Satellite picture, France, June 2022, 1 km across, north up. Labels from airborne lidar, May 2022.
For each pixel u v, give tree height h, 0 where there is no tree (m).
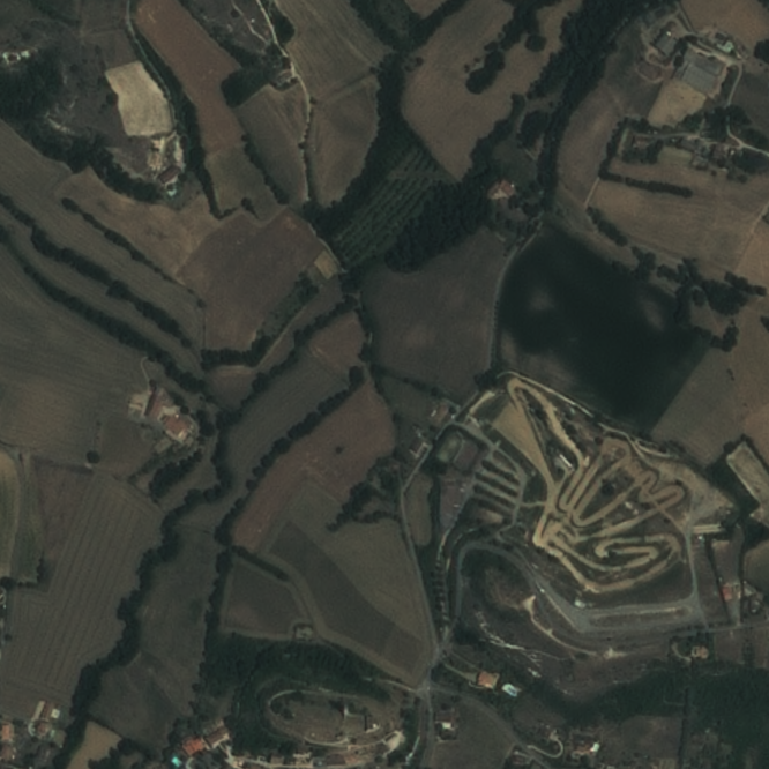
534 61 0
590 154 0
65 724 0
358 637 0
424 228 24
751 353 0
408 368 0
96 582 0
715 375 0
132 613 18
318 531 0
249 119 0
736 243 0
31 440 0
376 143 13
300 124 0
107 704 0
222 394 0
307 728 0
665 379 0
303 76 0
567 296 0
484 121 0
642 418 0
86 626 0
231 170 0
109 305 0
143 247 0
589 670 0
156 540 0
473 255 0
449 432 8
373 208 8
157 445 0
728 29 0
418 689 0
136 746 14
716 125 7
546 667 0
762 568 0
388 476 10
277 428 0
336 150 0
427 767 8
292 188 0
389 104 18
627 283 0
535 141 10
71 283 0
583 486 0
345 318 0
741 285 19
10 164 0
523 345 0
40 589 0
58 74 6
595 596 0
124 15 0
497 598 0
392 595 0
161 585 0
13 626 0
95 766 21
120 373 0
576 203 0
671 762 0
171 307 0
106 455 0
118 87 0
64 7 0
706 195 0
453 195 12
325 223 23
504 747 0
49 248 20
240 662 11
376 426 0
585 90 14
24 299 0
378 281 0
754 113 0
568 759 5
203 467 0
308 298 11
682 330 0
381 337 0
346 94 0
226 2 0
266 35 0
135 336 21
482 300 0
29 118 9
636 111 0
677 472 0
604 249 0
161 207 0
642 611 0
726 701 9
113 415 0
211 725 0
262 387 15
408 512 0
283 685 6
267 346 13
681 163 0
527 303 0
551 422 0
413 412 0
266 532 0
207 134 0
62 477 0
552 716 0
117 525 0
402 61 6
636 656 0
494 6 0
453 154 0
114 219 0
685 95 0
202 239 0
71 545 0
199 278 0
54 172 0
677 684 12
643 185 10
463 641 9
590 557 0
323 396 0
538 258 0
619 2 24
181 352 0
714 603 0
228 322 0
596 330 0
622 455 0
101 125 0
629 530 0
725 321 0
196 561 0
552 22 0
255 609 0
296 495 0
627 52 0
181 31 0
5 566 0
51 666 0
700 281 15
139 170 0
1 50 0
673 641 8
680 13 0
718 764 9
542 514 0
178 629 0
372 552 0
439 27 15
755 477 0
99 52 8
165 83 7
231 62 0
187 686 0
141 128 0
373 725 0
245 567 0
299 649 8
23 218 9
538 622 0
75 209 12
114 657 12
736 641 0
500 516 0
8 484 0
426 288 0
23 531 0
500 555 7
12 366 0
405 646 0
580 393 0
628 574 0
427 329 0
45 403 0
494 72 15
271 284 0
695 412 0
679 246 0
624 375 0
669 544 0
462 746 0
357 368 15
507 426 0
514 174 0
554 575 0
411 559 0
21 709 0
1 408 0
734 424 0
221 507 0
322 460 0
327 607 0
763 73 0
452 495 0
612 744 0
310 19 0
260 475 14
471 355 0
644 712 12
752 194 0
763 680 6
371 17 11
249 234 0
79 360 0
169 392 7
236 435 0
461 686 10
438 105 0
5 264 0
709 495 0
